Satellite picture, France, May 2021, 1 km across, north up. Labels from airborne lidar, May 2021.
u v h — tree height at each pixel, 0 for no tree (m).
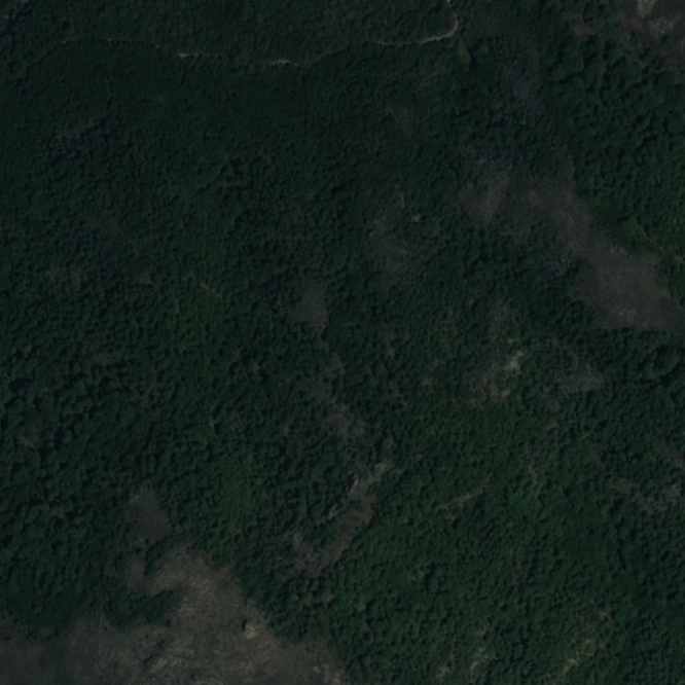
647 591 20
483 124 16
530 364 20
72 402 22
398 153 10
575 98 16
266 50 14
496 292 12
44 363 29
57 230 16
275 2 14
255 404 26
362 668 15
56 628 10
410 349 12
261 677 0
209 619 0
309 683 0
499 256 22
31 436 31
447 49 19
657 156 17
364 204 7
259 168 12
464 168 19
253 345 25
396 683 15
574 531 21
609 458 15
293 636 7
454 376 12
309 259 7
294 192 11
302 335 18
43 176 16
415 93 6
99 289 14
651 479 13
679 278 14
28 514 31
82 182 16
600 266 0
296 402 10
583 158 7
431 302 11
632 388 16
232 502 11
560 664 9
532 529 20
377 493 8
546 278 12
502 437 18
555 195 0
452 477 26
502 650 18
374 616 17
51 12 17
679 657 16
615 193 18
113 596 8
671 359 29
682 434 15
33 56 20
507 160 7
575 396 10
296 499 25
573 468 22
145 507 0
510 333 15
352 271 25
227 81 22
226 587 0
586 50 8
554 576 24
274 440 7
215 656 0
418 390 9
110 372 9
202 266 14
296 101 27
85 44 14
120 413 25
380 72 11
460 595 25
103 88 22
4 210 20
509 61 13
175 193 11
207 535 7
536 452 8
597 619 9
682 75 6
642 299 0
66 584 14
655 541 23
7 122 19
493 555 17
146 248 9
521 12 13
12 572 22
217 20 14
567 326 27
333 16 21
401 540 21
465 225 16
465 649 12
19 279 16
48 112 14
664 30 0
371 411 23
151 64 19
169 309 19
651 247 9
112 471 20
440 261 14
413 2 20
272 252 18
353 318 26
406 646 12
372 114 12
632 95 30
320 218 20
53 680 0
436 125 19
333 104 15
